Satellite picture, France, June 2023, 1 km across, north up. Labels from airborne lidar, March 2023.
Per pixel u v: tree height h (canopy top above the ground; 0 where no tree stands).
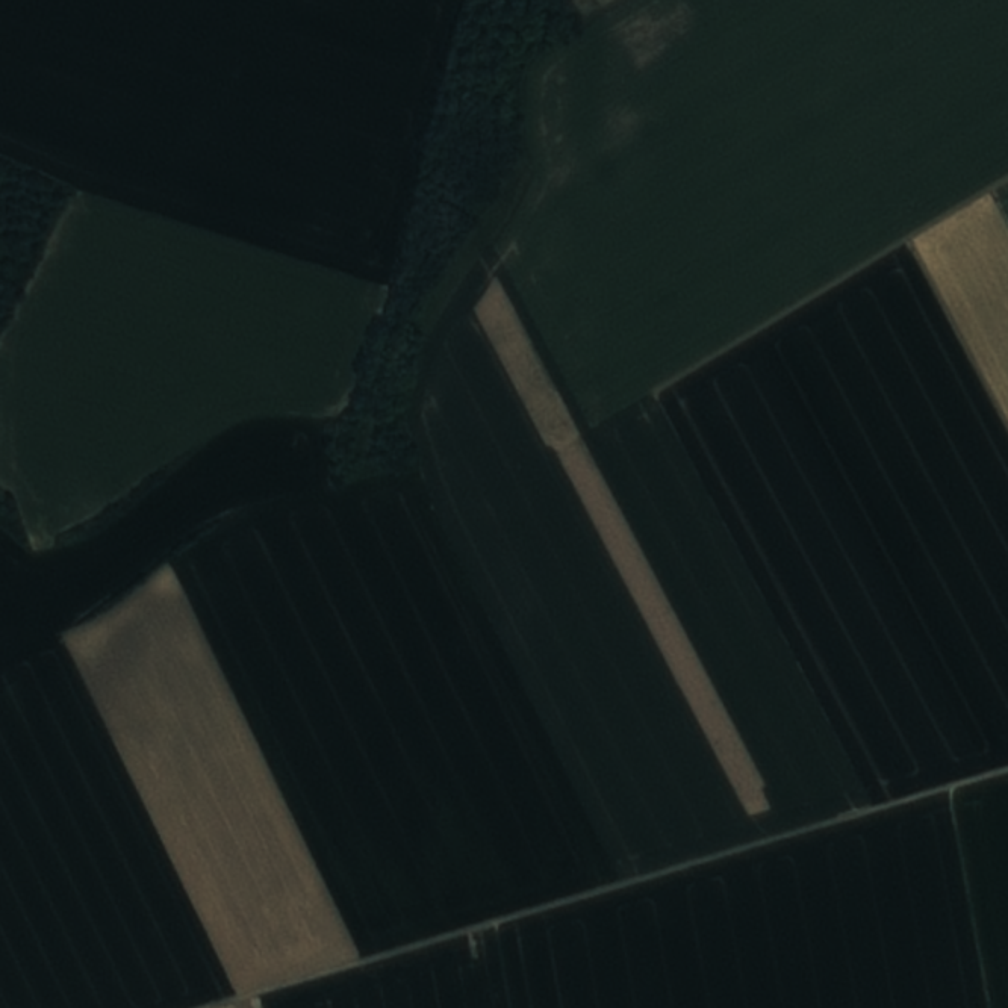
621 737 0
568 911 0
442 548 0
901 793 0
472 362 0
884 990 0
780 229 0
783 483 0
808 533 0
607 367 0
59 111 0
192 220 0
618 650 0
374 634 0
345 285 0
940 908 0
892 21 0
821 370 0
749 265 0
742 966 0
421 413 0
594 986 0
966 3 0
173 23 0
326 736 0
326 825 0
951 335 0
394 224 0
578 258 0
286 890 0
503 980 0
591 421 0
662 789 0
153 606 0
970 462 0
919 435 0
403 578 0
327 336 0
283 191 0
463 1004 0
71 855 0
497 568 0
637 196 0
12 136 0
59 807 0
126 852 0
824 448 0
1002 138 0
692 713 0
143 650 0
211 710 0
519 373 0
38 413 0
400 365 18
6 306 10
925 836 0
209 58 0
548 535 0
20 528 7
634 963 0
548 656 0
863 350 0
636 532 0
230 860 0
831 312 0
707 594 0
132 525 0
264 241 0
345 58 0
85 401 0
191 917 0
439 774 0
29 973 0
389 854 0
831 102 0
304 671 0
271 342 0
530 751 0
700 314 0
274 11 0
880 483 0
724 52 0
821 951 0
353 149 0
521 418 0
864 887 0
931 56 0
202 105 0
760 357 0
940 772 0
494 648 0
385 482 0
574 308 0
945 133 0
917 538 0
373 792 0
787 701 0
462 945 0
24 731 0
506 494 0
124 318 0
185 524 0
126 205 0
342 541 0
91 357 0
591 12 0
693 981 0
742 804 0
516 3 19
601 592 0
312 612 0
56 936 0
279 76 0
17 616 0
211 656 0
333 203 0
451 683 0
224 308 0
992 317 0
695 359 0
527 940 0
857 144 0
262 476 0
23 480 0
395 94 0
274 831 0
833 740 0
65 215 0
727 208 0
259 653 0
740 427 0
